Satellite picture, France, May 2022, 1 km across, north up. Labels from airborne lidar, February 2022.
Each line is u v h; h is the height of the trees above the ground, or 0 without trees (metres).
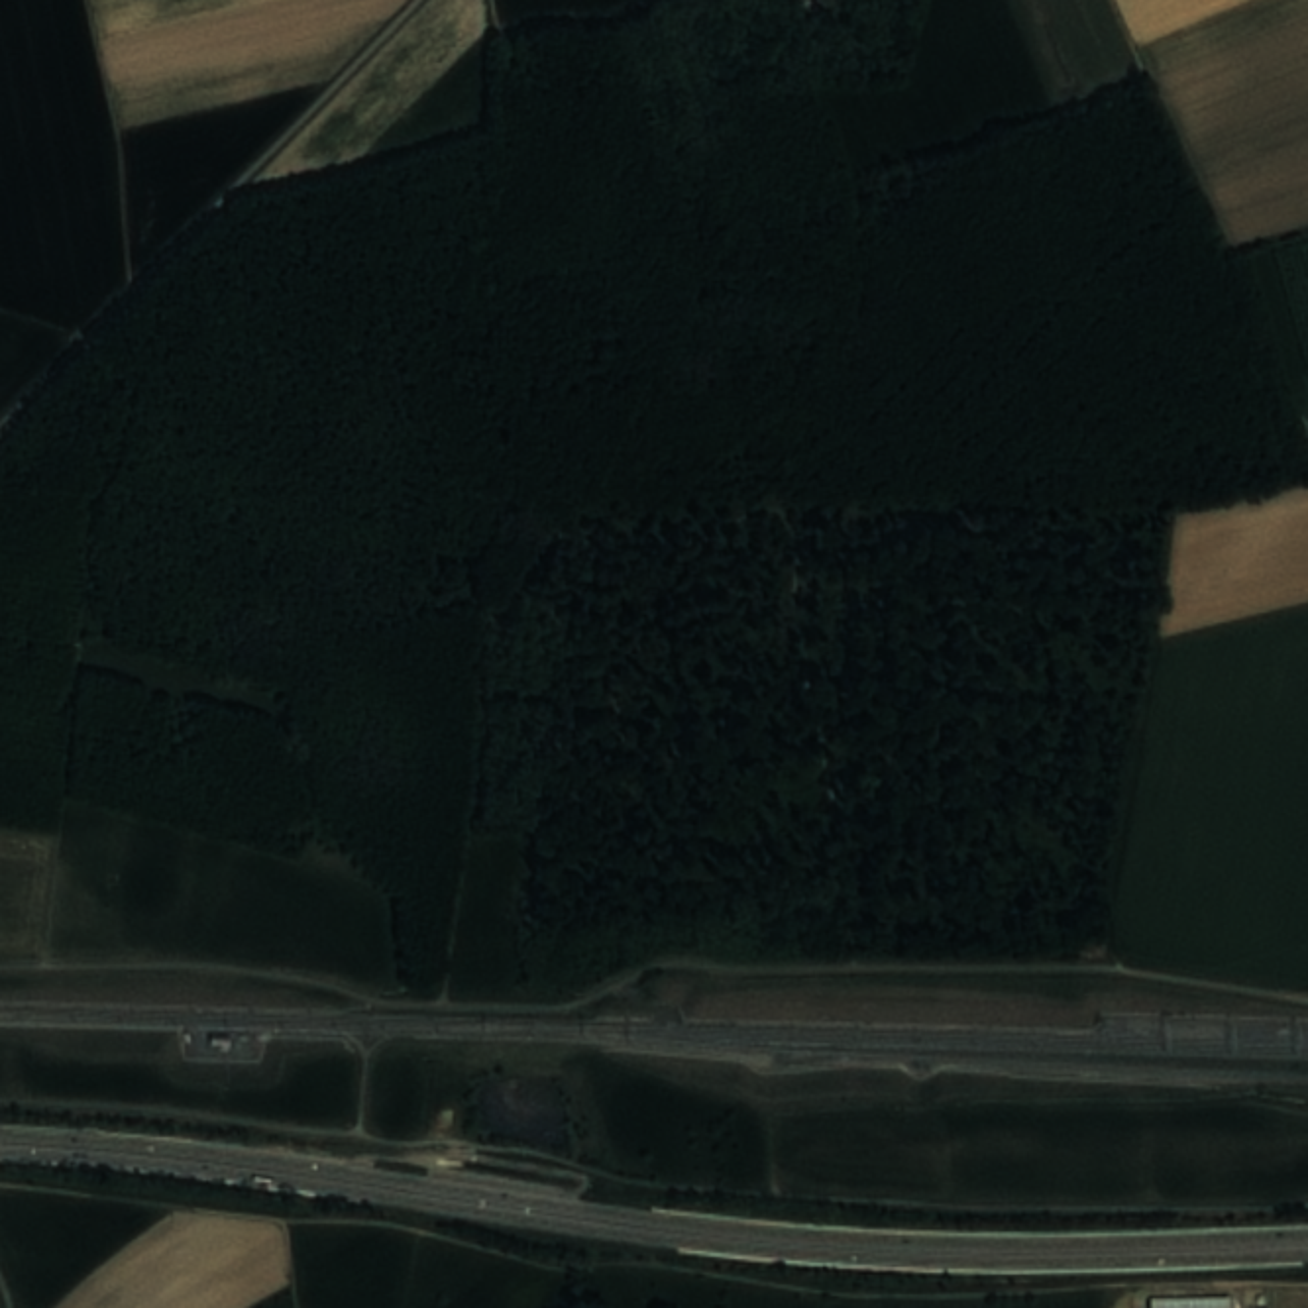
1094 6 0
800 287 20
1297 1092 0
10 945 0
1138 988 0
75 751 13
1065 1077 0
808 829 32
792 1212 14
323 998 0
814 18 15
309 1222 0
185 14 0
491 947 0
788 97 18
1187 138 0
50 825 10
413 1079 0
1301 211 0
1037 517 26
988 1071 0
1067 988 0
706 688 28
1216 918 0
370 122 0
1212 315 18
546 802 29
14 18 0
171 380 16
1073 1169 0
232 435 20
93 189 0
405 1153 0
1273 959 0
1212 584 0
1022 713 32
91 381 20
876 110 0
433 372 13
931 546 29
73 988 0
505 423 17
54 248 0
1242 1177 0
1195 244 17
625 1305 0
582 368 22
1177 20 0
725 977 0
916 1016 0
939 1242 0
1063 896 14
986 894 31
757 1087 0
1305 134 0
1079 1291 0
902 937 25
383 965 0
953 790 33
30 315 0
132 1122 8
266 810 12
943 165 18
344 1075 0
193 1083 0
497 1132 0
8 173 0
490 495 21
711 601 34
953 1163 0
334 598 19
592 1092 0
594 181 14
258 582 20
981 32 0
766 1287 0
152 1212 0
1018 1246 0
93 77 0
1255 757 0
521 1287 0
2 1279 0
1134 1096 0
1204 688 0
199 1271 0
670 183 21
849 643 28
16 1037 0
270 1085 0
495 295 15
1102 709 11
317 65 0
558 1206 0
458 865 18
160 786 16
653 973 0
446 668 18
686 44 22
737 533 22
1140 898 0
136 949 0
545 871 30
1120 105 14
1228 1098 0
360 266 19
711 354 26
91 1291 0
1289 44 0
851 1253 0
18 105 0
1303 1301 0
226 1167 0
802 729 13
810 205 20
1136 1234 0
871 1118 0
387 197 18
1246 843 0
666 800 34
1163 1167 0
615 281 20
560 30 16
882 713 34
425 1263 0
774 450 10
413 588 25
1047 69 0
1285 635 0
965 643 35
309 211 20
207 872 0
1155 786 0
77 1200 0
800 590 0
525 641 23
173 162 0
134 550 18
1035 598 35
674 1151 0
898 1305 0
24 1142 0
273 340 19
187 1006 0
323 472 20
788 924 22
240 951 0
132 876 0
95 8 0
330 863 0
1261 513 0
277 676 20
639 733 32
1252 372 13
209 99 0
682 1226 0
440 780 17
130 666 0
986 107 0
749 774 32
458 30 0
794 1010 0
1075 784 31
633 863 29
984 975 0
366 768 12
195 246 17
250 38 0
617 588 26
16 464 9
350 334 17
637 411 13
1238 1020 0
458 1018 0
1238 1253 0
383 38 0
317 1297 0
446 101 0
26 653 7
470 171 16
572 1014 0
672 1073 0
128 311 17
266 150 0
